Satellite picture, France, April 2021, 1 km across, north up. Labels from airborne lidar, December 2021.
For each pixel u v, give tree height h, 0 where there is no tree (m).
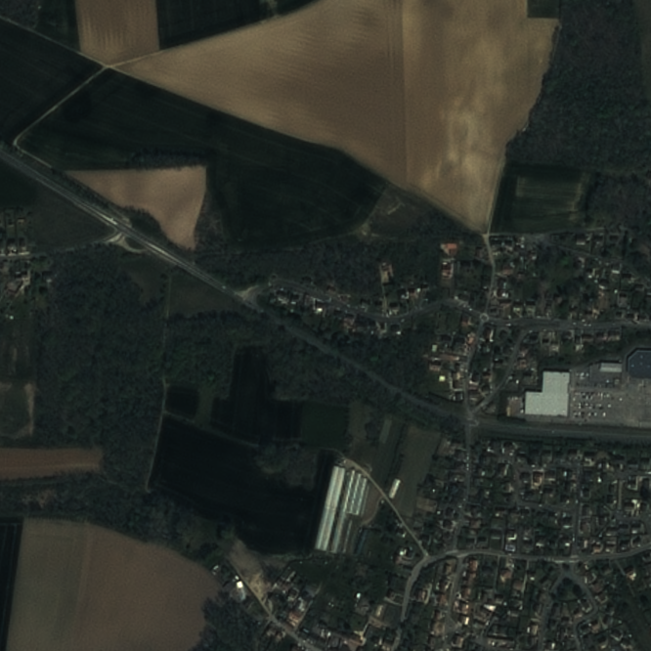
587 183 0
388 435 0
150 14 0
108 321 28
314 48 0
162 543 35
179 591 0
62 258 17
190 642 0
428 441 0
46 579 0
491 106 0
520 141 13
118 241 0
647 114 15
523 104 0
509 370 0
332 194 0
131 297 27
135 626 0
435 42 0
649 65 0
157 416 17
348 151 0
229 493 0
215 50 0
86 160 0
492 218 0
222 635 26
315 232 0
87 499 20
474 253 0
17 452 0
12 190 0
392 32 0
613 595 7
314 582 0
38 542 0
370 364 26
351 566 10
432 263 10
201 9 0
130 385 22
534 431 0
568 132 17
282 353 16
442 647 0
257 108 0
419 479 0
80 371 24
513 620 0
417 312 0
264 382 0
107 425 29
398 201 0
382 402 16
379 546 0
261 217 0
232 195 0
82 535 0
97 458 0
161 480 0
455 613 0
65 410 25
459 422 16
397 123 0
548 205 0
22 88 0
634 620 0
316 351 17
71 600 0
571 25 20
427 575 8
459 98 0
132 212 14
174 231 0
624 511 0
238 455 0
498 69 0
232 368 15
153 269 0
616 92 18
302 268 9
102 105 0
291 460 14
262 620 0
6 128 0
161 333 20
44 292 15
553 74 14
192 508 16
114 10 0
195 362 17
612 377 0
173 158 17
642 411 0
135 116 0
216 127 0
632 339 12
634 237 12
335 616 0
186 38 0
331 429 0
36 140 0
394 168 0
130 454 32
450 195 0
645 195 20
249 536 0
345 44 0
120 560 0
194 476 0
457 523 0
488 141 0
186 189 0
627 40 20
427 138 0
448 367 0
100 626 0
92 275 15
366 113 0
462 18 0
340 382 17
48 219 0
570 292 18
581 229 0
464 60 0
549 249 13
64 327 24
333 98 0
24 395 0
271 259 11
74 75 0
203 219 0
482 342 0
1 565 0
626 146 19
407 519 0
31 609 0
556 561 0
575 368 0
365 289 23
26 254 0
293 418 0
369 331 0
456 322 0
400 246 6
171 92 0
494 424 0
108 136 0
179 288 0
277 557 0
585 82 17
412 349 14
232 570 8
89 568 0
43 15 0
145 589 0
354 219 0
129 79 0
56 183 0
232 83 0
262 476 0
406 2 0
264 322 19
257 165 0
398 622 0
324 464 0
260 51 0
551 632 0
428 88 0
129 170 0
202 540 0
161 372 20
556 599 13
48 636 0
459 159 0
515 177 0
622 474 0
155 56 0
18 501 11
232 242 0
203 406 0
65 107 0
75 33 0
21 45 0
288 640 0
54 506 17
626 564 0
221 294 0
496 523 0
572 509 0
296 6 0
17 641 0
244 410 0
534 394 0
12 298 6
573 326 0
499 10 0
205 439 0
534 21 0
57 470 0
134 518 12
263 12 0
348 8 0
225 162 0
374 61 0
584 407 0
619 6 15
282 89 0
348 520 0
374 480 0
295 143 0
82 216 0
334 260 12
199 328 21
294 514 0
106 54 0
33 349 0
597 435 0
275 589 0
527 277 21
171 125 0
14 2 21
